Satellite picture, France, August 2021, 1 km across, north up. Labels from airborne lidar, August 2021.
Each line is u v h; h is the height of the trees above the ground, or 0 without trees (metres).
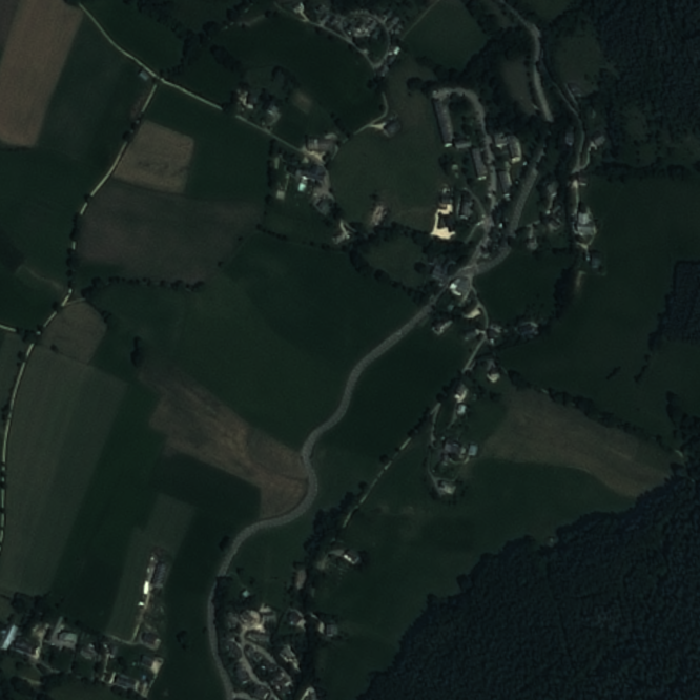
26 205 0
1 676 23
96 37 0
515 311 0
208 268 0
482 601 20
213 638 0
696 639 20
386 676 15
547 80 15
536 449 0
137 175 0
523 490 0
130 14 0
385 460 13
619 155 21
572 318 0
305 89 0
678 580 13
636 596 24
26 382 0
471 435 0
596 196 0
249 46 0
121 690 12
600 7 12
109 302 0
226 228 0
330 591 0
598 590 24
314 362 0
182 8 0
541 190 15
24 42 0
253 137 0
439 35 0
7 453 0
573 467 0
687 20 19
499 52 26
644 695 9
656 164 7
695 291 16
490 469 0
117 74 0
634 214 0
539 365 0
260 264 0
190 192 0
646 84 17
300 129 0
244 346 0
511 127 19
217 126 0
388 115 0
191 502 0
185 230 0
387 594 0
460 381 7
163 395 0
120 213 0
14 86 0
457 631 21
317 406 0
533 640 21
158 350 0
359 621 0
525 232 6
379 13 8
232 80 0
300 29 0
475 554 0
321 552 14
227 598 20
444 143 0
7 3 0
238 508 0
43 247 0
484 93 7
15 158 0
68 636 0
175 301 0
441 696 18
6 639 0
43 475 0
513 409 0
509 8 14
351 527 0
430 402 0
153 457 0
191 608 0
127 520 0
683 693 20
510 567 26
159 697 0
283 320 0
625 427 7
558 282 0
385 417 0
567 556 28
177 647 0
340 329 0
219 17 0
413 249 0
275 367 0
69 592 0
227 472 0
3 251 0
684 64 15
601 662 10
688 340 13
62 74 0
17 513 0
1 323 0
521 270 0
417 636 24
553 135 7
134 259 0
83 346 0
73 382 0
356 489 0
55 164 0
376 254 0
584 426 0
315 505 0
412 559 0
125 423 0
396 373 0
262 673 8
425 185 0
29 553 0
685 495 33
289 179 0
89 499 0
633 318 0
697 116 15
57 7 0
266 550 0
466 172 11
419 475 0
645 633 21
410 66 0
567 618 25
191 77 0
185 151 0
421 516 0
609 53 7
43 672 11
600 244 0
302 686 14
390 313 0
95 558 0
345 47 0
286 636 8
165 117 0
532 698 19
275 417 0
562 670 20
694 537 24
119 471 0
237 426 0
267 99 6
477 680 18
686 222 0
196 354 0
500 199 0
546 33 22
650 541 30
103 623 0
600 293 0
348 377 0
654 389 0
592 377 0
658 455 0
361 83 0
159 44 0
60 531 0
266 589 0
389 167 0
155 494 0
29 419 0
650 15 17
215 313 0
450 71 9
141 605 0
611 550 19
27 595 8
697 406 0
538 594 27
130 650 0
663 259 0
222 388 0
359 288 0
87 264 0
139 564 0
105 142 0
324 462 0
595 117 0
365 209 0
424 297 20
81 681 7
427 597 0
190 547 0
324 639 9
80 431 0
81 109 0
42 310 0
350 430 0
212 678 0
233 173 0
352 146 0
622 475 0
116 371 0
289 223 0
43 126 0
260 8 0
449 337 0
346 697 0
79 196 0
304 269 0
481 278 0
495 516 0
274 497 0
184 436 0
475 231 0
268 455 0
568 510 0
